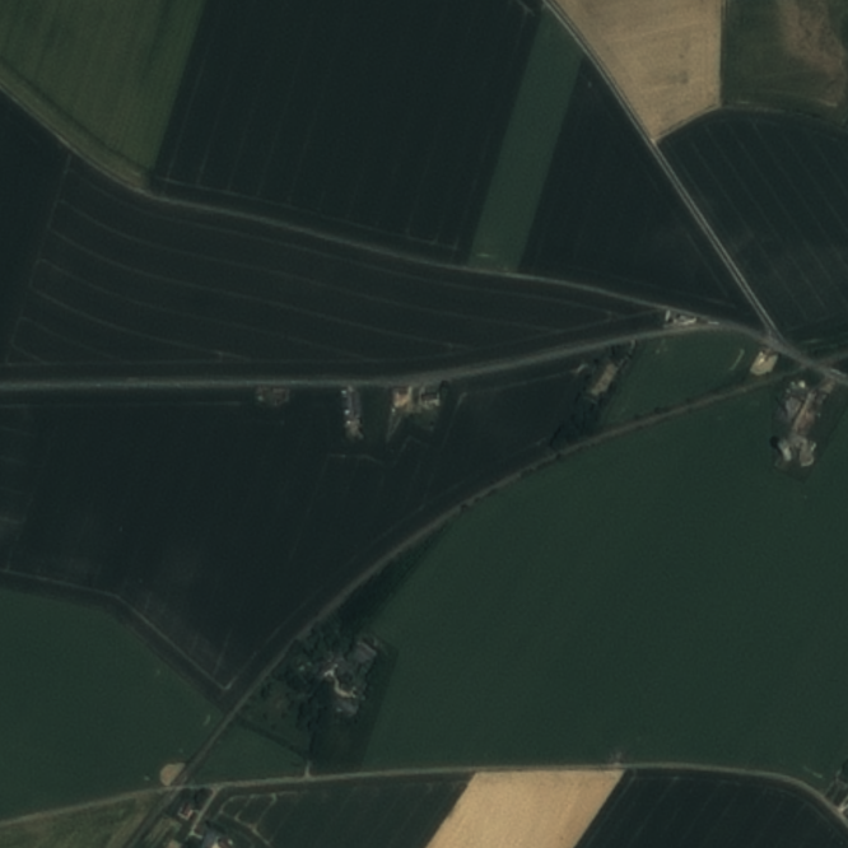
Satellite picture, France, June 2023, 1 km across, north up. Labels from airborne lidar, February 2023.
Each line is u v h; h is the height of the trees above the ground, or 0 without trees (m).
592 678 0
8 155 0
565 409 0
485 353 0
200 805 9
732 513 0
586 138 0
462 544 0
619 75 0
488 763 0
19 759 0
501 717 0
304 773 0
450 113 0
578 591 0
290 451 0
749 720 0
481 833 0
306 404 0
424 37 0
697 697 0
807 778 0
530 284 0
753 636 0
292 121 0
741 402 0
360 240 0
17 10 0
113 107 0
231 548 0
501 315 0
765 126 0
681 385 0
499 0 0
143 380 0
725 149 0
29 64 0
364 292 0
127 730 0
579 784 0
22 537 0
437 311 0
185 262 0
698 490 0
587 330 0
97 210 0
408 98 0
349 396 0
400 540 0
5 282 0
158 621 0
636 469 0
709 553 0
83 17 0
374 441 0
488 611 0
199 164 0
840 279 0
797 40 0
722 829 0
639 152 0
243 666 0
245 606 0
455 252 0
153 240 0
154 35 0
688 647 0
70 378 0
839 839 0
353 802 0
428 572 0
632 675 0
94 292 0
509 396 0
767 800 0
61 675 0
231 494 0
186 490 0
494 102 0
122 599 0
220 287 0
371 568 0
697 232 0
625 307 0
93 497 0
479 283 0
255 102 0
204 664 0
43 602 0
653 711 0
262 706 0
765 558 0
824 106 0
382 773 0
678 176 0
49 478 0
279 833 0
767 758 0
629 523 0
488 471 0
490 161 0
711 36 0
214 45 0
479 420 0
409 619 0
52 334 0
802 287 0
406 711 0
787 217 0
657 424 0
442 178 0
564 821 0
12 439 0
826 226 0
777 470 0
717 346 0
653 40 0
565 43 0
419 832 0
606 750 0
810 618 0
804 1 0
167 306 0
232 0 0
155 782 0
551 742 0
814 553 0
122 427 0
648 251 0
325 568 0
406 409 0
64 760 0
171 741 0
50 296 0
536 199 0
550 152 0
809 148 0
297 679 11
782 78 0
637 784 0
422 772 0
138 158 0
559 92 0
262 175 0
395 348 0
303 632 0
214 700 0
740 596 0
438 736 0
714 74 0
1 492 0
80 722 0
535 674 0
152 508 0
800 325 0
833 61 0
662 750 0
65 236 0
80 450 0
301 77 0
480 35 0
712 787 0
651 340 0
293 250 0
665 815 0
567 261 0
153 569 0
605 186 0
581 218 0
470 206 0
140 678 0
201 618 0
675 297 0
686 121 0
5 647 0
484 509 0
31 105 0
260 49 0
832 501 0
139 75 0
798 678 0
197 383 0
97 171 0
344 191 0
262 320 0
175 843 0
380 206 0
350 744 0
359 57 0
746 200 0
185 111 0
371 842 0
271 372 0
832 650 0
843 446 0
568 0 0
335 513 0
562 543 0
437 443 0
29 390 0
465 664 0
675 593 0
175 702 0
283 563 0
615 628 0
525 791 0
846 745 0
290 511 0
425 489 0
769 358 0
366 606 9
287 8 0
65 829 0
